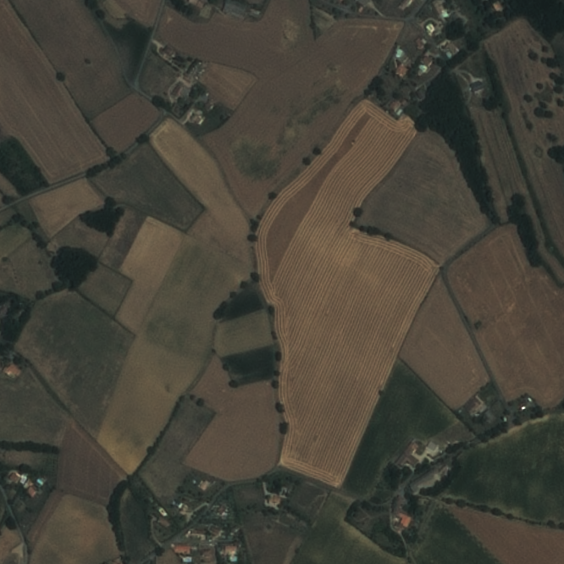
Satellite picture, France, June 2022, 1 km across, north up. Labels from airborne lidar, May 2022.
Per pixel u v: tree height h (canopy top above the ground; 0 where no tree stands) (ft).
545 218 0
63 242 0
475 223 0
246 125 0
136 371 0
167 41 0
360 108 0
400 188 0
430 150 0
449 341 0
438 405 0
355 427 0
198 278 0
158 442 25
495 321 0
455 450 46
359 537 0
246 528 0
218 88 0
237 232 0
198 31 0
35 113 0
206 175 0
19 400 0
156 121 0
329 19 0
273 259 0
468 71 0
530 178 0
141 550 0
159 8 0
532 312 0
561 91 44
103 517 0
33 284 0
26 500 26
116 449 0
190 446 0
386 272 0
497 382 0
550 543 0
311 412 0
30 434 0
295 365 0
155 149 0
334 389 0
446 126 57
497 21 25
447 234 0
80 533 0
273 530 0
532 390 0
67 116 0
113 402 0
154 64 0
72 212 0
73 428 0
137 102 0
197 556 0
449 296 0
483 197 33
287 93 0
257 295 0
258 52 0
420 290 0
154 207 0
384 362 0
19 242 0
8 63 0
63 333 0
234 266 0
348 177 0
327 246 0
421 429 0
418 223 0
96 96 0
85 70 0
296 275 0
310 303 0
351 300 0
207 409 0
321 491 0
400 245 0
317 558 0
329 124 0
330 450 0
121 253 0
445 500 31
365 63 0
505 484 0
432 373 0
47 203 0
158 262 0
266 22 0
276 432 0
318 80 0
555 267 0
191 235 0
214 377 0
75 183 0
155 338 0
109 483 0
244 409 0
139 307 0
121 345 0
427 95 38
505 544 0
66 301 0
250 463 0
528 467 0
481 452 0
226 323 0
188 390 0
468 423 17
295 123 0
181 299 0
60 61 0
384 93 32
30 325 0
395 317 0
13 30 0
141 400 0
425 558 0
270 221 0
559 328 0
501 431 37
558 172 0
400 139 0
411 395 0
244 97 0
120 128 0
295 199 0
